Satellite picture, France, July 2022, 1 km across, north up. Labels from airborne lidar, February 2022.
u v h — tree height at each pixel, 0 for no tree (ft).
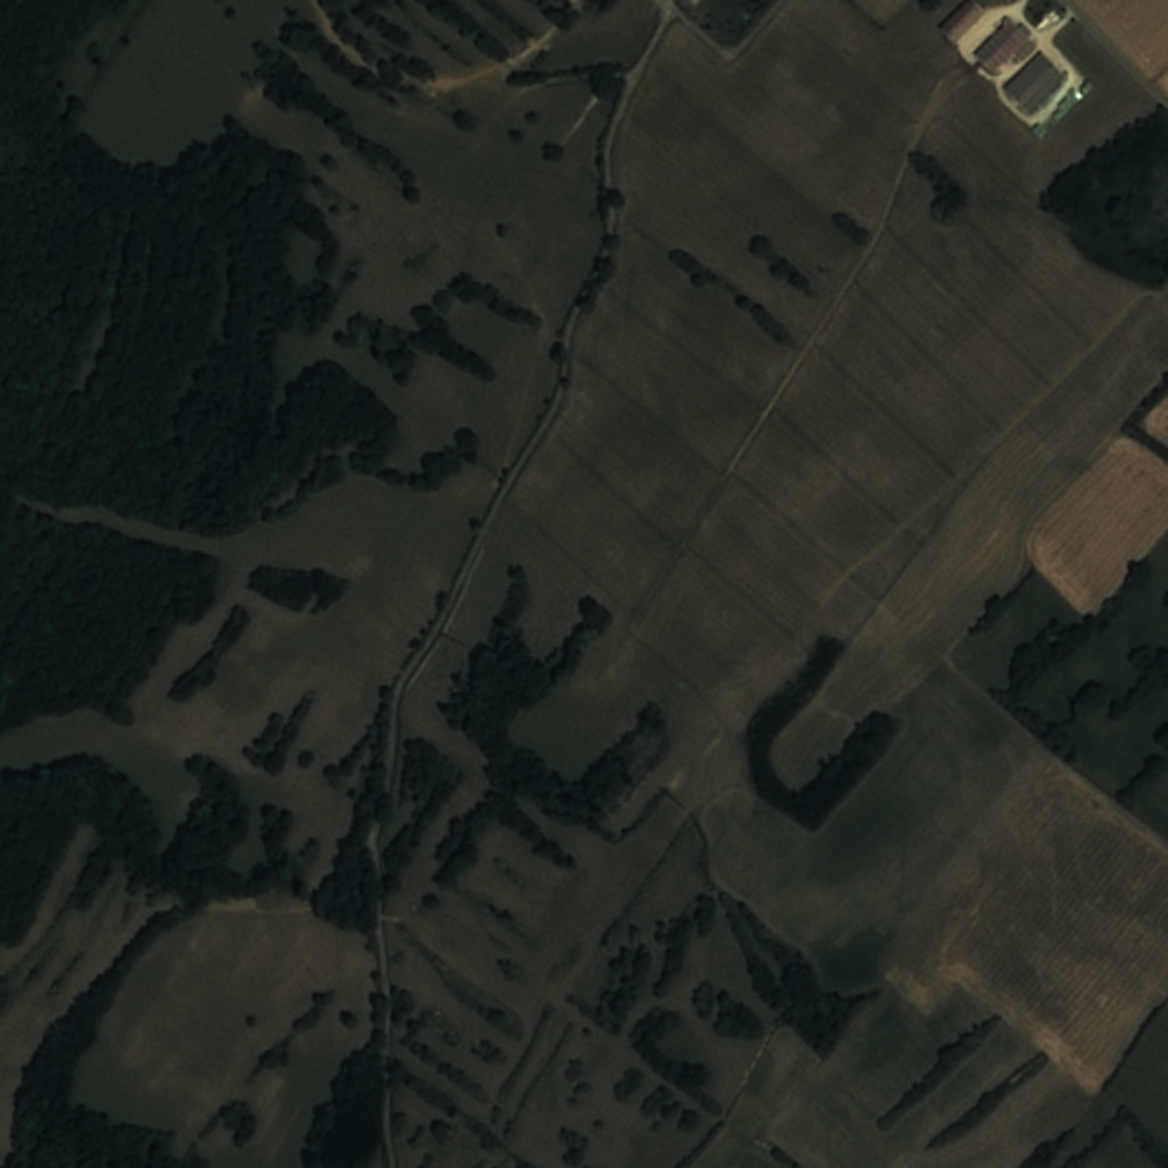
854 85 0
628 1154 0
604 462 0
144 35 0
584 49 0
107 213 59
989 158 0
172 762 0
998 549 0
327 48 19
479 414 0
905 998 0
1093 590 0
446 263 0
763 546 0
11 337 59
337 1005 0
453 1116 45
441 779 26
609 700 0
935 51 0
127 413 50
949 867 0
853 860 0
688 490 0
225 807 49
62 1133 36
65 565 61
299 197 36
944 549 0
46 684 49
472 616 0
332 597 28
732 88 0
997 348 0
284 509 24
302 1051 0
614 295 0
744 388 0
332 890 45
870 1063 0
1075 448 0
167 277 44
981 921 0
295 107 44
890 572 0
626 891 0
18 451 59
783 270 34
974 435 0
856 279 0
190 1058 0
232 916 0
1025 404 0
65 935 0
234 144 60
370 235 0
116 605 50
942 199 32
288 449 79
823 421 0
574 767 0
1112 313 0
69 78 0
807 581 0
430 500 0
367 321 57
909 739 0
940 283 0
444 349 34
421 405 0
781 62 0
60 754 0
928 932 0
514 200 0
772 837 0
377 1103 43
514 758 52
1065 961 0
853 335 0
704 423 0
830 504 0
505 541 0
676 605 0
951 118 0
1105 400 0
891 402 0
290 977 0
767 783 42
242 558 0
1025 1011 0
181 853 67
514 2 0
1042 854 0
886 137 0
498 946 0
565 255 0
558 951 0
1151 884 0
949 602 0
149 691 0
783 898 0
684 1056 0
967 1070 0
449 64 0
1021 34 0
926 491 0
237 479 78
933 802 0
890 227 0
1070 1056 0
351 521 0
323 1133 37
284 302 60
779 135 0
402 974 0
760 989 32
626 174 0
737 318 0
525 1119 0
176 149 0
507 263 0
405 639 0
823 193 0
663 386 0
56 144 52
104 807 59
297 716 23
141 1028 0
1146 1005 0
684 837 0
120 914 0
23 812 66
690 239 0
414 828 21
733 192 0
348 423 54
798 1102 0
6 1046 0
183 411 59
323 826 0
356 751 29
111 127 0
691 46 0
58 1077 54
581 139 0
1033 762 0
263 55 52
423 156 0
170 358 61
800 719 0
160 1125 0
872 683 0
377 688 0
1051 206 35
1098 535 0
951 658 0
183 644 0
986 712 0
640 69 0
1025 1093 0
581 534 0
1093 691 47
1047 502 0
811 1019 31
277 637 0
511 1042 0
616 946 0
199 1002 0
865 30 0
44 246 71
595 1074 0
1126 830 0
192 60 0
